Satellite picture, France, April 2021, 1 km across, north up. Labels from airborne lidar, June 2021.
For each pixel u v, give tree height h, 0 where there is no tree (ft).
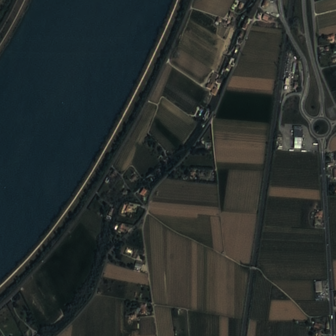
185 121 0
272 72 0
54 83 0
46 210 0
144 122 0
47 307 0
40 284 0
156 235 0
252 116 0
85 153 0
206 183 24
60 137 0
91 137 0
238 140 0
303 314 0
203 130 0
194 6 0
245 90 0
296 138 0
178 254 0
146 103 0
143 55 0
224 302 0
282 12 0
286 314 0
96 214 0
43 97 0
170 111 0
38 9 0
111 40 0
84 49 0
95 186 75
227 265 0
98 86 0
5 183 0
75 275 0
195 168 32
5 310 0
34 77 0
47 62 0
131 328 0
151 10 0
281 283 0
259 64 0
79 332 0
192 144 0
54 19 0
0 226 0
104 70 0
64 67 0
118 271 0
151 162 0
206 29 0
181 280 0
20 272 0
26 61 0
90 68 0
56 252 0
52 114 0
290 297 0
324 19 0
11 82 0
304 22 0
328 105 0
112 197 37
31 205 0
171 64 0
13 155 0
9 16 0
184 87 0
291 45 25
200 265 0
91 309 0
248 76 0
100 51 0
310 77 0
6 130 0
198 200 0
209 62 0
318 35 31
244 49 0
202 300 0
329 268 0
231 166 0
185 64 0
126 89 0
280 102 0
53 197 0
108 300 0
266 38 0
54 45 0
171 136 0
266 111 0
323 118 0
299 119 0
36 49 0
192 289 0
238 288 0
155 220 0
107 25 0
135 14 0
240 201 0
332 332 0
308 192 0
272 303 0
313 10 0
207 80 0
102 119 0
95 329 0
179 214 0
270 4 0
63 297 0
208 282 0
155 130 0
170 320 0
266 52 0
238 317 0
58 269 0
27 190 0
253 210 0
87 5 0
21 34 0
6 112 0
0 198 0
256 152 0
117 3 0
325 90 0
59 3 0
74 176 0
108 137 20
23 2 0
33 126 0
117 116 34
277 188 0
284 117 0
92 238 0
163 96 0
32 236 0
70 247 0
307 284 0
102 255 19
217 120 0
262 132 0
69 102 0
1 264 0
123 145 0
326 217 0
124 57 0
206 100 0
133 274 0
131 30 0
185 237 0
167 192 0
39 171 0
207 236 0
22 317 38
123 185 0
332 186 39
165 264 0
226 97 0
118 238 31
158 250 0
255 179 0
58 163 0
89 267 0
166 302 0
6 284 0
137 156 0
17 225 0
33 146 0
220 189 0
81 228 0
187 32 0
